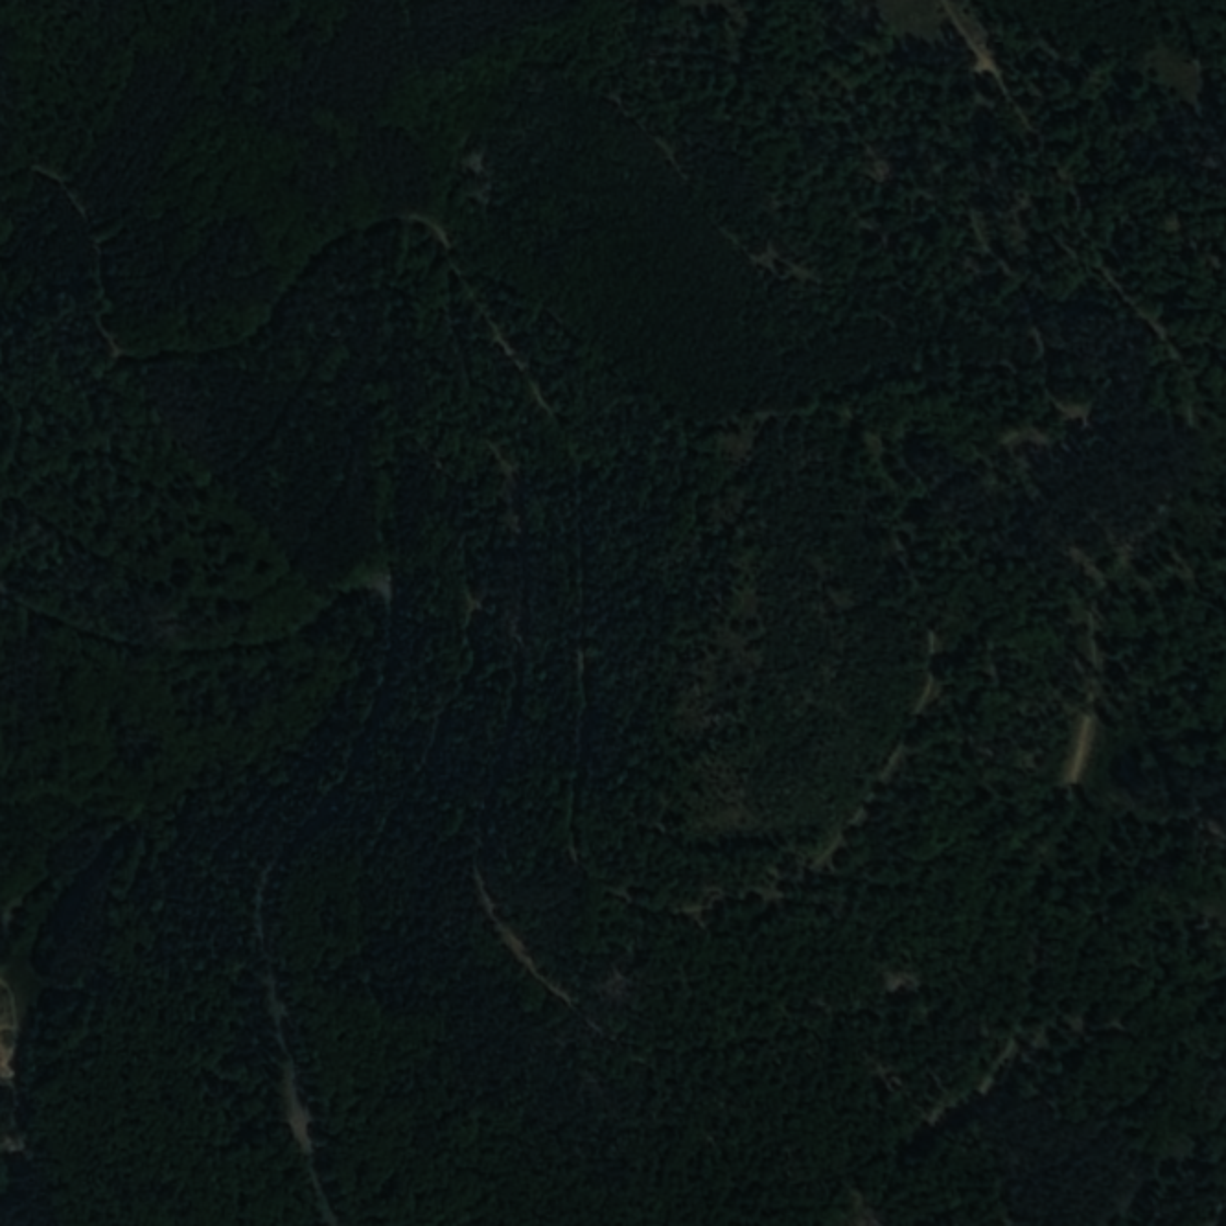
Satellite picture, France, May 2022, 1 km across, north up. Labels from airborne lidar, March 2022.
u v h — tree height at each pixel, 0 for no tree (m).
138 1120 25
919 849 26
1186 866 35
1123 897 32
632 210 13
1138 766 39
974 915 22
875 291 21
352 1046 24
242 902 22
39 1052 26
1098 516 47
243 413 27
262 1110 23
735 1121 28
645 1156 24
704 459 20
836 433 9
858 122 34
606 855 20
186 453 25
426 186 24
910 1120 25
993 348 7
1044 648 37
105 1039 28
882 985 19
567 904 20
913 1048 27
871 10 0
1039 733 31
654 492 24
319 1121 23
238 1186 26
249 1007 32
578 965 20
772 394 15
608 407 21
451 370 22
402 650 32
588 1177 24
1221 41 32
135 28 20
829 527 10
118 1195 22
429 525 22
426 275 29
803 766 8
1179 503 7
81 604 29
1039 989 27
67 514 21
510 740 21
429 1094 26
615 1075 21
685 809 27
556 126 12
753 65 28
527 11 27
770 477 8
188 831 25
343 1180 29
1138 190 36
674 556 22
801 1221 28
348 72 27
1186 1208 33
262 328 12
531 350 19
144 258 18
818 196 20
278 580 21
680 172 7
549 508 20
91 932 25
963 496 43
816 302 12
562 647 22
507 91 7
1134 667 41
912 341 14
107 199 23
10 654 29
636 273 13
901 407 32
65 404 26
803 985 24
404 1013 22
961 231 35
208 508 21
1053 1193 34
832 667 7
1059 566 45
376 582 0
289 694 31
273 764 28
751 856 23
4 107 28
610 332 14
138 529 14
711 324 16
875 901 20
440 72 22
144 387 25
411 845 23
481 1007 24
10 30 24
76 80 22
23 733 28
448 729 16
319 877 19
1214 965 35
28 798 20
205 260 24
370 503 25
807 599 8
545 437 23
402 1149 28
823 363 17
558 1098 23
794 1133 29
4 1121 0
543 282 19
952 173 28
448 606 22
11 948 13
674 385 16
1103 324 46
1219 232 37
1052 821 35
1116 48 8
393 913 20
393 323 27
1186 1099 34
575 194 12
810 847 14
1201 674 40
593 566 20
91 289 29
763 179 13
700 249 16
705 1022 22
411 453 28
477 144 10
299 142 25
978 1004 25
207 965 28
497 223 14
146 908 24
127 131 18
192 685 34
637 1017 19
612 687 11
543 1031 21
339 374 24
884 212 32
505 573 31
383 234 27
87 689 29
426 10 28
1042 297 12
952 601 28
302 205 23
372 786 13
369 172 26
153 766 31
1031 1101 32
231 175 19
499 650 20
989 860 28
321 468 26
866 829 11
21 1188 33
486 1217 24
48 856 30
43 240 14
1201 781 47
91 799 21
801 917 22
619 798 23
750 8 12
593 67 17
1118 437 46
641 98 14
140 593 32
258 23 23
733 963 25
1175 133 36
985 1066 23
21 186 25
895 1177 31
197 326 22
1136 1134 33
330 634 33
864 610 10
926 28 0
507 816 25
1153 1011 31
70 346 25
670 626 18
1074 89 34
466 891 23
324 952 28
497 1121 24
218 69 23
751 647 8
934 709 10
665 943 17
